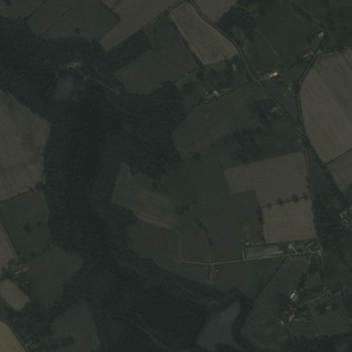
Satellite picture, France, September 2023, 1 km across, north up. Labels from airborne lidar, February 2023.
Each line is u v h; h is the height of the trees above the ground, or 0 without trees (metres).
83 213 15
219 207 0
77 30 10
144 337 8
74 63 0
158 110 16
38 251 0
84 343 0
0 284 0
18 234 0
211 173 0
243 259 0
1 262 0
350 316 7
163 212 0
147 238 0
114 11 0
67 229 10
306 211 0
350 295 0
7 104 0
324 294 0
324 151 0
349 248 0
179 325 6
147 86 0
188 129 0
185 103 0
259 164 0
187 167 0
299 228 0
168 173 0
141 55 0
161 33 0
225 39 0
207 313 7
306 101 0
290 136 0
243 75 0
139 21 0
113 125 11
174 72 0
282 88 0
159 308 8
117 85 12
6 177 0
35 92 33
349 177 0
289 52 0
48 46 13
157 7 0
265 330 0
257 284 0
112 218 18
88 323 0
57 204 19
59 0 0
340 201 13
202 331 0
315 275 0
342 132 0
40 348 21
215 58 0
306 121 0
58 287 0
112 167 6
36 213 0
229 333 0
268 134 0
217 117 0
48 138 11
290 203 0
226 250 0
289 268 0
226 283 0
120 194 0
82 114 13
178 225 0
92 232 21
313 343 21
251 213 0
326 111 0
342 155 0
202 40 0
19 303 0
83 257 13
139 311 12
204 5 0
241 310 7
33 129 0
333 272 0
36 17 0
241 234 0
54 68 12
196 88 0
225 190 0
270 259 0
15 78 27
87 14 0
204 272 0
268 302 0
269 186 0
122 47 9
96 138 11
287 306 7
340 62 0
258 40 0
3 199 0
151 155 22
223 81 0
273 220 0
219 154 0
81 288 31
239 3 8
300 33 0
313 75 0
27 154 0
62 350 0
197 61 13
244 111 0
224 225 0
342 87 0
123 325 0
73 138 12
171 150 22
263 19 0
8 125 0
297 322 0
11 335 0
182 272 0
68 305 13
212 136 0
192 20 0
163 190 0
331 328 0
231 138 0
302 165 0
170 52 0
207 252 0
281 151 0
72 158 10
